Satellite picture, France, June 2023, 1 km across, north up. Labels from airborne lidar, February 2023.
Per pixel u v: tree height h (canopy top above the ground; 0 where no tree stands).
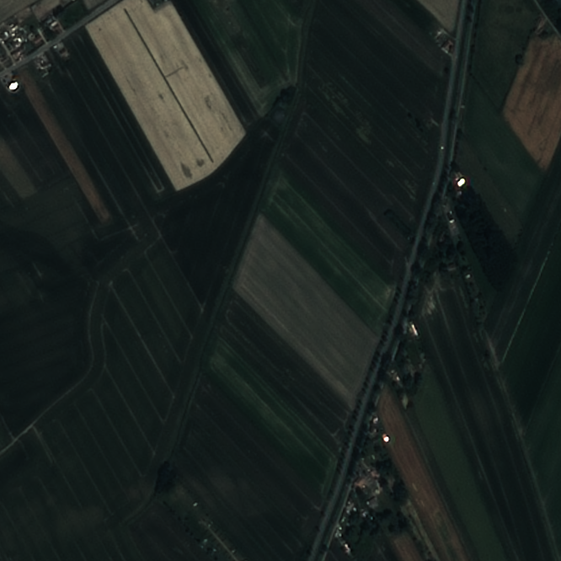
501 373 0
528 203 0
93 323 0
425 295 0
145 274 0
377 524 16
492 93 0
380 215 0
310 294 0
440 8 0
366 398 0
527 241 0
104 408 0
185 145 0
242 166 0
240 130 0
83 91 0
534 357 0
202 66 0
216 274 0
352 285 0
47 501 0
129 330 0
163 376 0
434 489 0
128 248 0
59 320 0
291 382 0
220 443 0
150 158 0
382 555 0
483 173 0
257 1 0
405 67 0
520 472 0
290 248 0
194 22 0
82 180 0
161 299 0
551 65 0
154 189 0
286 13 0
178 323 0
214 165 0
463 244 9
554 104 0
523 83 0
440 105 0
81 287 0
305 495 0
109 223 0
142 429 0
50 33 8
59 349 0
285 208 0
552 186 0
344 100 0
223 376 0
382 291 0
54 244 0
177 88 0
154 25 0
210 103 0
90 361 0
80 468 0
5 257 0
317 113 0
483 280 0
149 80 0
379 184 0
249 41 0
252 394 0
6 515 0
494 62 0
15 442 0
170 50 0
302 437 0
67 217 0
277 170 0
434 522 0
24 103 0
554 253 0
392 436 0
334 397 0
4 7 0
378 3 0
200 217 0
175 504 0
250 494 0
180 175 0
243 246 0
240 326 0
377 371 0
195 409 0
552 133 0
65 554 0
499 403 0
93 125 0
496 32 0
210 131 0
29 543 0
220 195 0
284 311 0
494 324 0
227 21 0
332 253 0
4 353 0
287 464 0
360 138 0
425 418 0
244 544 0
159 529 0
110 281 0
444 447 0
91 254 0
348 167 0
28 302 0
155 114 0
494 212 0
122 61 0
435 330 0
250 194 0
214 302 0
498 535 0
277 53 0
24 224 0
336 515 0
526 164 0
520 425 0
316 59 0
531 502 0
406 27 0
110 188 0
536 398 0
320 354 0
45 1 0
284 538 0
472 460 0
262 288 0
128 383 0
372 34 0
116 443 0
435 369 0
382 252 0
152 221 0
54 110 0
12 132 0
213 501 0
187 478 0
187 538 0
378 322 0
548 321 0
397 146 0
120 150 0
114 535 0
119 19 0
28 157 0
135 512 0
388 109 0
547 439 0
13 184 0
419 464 0
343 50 0
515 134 0
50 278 0
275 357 0
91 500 0
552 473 0
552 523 0
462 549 0
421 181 0
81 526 0
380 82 0
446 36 0
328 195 0
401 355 10
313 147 0
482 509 0
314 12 0
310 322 0
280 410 0
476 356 0
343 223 0
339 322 0
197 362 0
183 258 0
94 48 0
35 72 0
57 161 0
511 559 0
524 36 0
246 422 0
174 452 0
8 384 0
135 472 0
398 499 18
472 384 0
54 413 0
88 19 0
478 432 0
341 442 0
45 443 0
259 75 0
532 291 0
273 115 0
